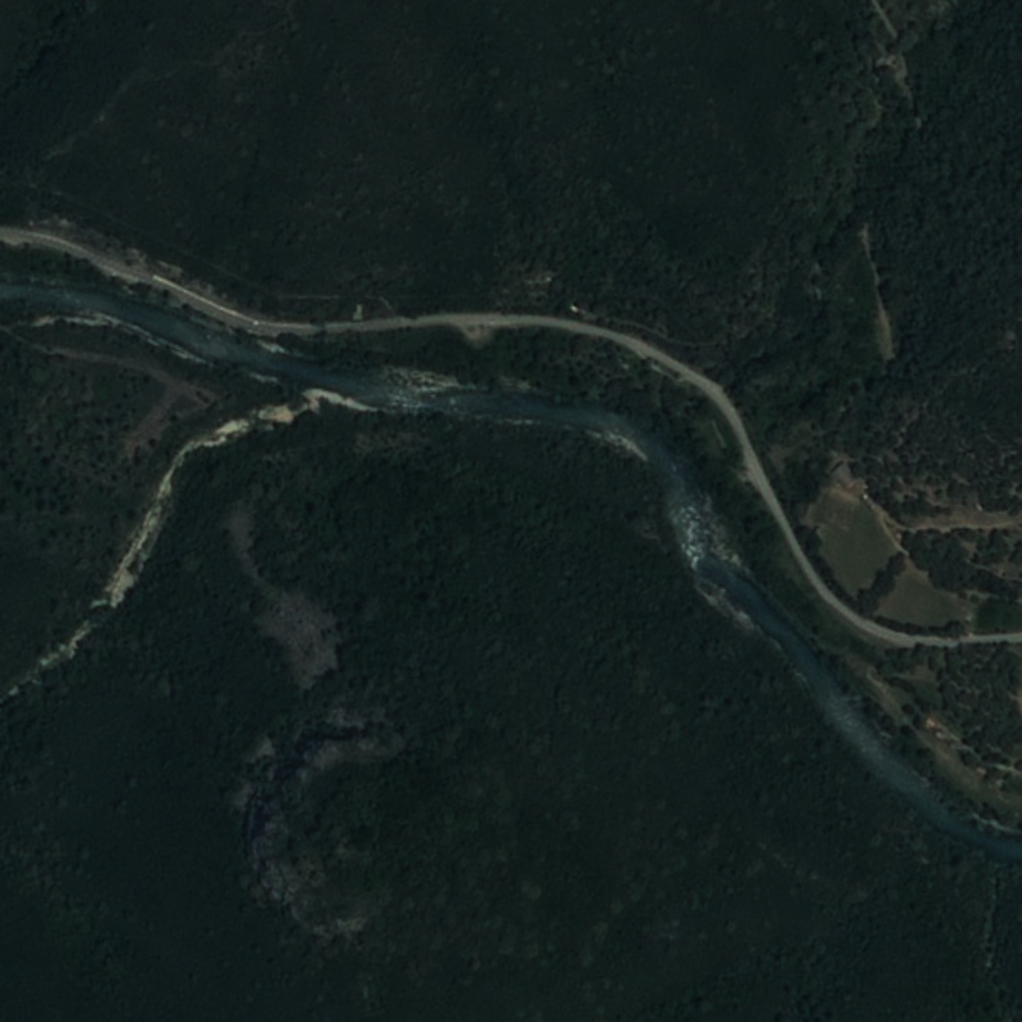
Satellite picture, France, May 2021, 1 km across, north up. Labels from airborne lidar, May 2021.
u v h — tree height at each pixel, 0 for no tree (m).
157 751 6
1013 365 12
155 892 7
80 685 6
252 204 13
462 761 12
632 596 13
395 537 20
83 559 10
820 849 7
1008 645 11
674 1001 14
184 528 10
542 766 13
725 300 12
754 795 9
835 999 13
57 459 11
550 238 14
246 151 11
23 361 13
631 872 7
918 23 13
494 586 9
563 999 6
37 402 6
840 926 14
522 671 10
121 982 10
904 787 0
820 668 0
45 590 6
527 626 12
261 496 8
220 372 9
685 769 7
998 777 14
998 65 9
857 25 14
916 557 16
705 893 11
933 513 12
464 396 0
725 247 6
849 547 0
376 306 9
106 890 6
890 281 15
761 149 5
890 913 12
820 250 18
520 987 7
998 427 8
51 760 9
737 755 13
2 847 9
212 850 6
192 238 10
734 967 9
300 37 11
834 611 0
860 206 12
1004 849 0
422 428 7
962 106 12
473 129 10
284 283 11
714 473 22
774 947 10
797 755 7
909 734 19
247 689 7
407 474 20
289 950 10
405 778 20
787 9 9
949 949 11
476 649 6
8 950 6
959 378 8
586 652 11
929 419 9
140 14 6
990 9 12
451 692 11
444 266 9
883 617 9
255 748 9
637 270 10
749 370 16
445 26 8
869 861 10
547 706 10
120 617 16
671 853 9
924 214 17
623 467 7
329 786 7
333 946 10
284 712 11
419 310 7
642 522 16
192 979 11
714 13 8
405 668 8
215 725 7
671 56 6
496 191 7
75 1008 8
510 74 8
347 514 17
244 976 6
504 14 11
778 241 13
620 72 12
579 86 12
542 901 9
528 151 12
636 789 8
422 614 12
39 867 11
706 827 9
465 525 17
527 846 7
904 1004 9
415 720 7
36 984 5
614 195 8
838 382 6
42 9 14
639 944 7
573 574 9
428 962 10
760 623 0
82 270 14
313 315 12
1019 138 9
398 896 8
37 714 9
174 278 6
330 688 8
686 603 11
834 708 0
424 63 8
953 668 9
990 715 10
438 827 7
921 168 17
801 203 12
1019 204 13
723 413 0
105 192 5
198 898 7
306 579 12
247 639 10
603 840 5
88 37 6
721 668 8
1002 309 7
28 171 8
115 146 6
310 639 0
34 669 8
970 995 11
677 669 10
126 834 6
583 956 14
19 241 0
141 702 6
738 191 10
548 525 13
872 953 8
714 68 7
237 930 6
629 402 17
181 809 8
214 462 7
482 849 12
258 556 8
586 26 10
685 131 10
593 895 7
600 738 9
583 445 9
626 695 9
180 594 12
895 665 10
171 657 10
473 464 8
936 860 8
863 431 7
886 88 10
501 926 9
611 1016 6
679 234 7
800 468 6
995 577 16
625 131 9
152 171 12
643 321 7
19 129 6
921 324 13
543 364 6
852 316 13
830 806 8
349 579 11
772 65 6
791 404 7
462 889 7
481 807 10
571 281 11
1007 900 6
